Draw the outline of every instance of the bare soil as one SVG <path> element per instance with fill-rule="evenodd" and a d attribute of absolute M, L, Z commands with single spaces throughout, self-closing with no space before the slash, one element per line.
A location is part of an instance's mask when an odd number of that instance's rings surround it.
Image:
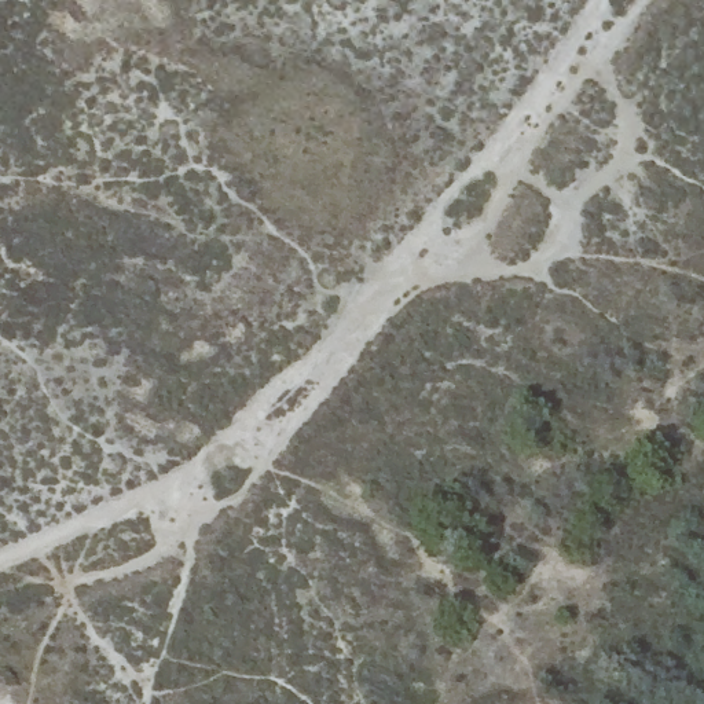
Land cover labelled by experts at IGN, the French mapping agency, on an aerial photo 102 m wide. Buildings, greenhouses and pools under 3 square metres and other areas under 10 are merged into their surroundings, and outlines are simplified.
<path fill-rule="evenodd" d="M 404 311 L 410 300 L 415 300 L 424 289 L 437 283 L 528 275 L 545 283 L 556 261 L 580 259 L 586 201 L 602 187 L 608 187 L 619 173 L 644 173 L 635 143 L 644 132 L 644 118 L 630 99 L 622 96 L 611 58 L 616 50 L 627 44 L 627 36 L 633 33 L 635 22 L 652 0 L 589 0 L 586 8 L 578 14 L 572 30 L 550 52 L 550 63 L 545 66 L 545 72 L 525 91 L 525 96 L 517 102 L 509 118 L 498 127 L 484 151 L 473 157 L 470 168 L 462 171 L 454 179 L 454 184 L 424 212 L 418 228 L 410 231 L 404 242 L 396 245 L 363 283 L 341 283 L 338 314 L 330 319 L 322 341 L 303 360 L 272 377 L 248 402 L 248 407 L 234 415 L 228 429 L 217 432 L 190 462 L 184 462 L 173 473 L 138 490 L 121 492 L 118 498 L 99 503 L 96 509 L 88 509 L 52 528 L 41 528 L 39 534 L 0 550 L 0 572 L 8 572 L 11 567 L 28 558 L 41 558 L 80 534 L 94 534 L 99 528 L 110 528 L 113 523 L 146 514 L 154 528 L 154 547 L 149 553 L 121 567 L 74 572 L 69 578 L 74 586 L 113 580 L 154 567 L 157 561 L 173 556 L 182 561 L 182 575 L 171 597 L 171 613 L 179 613 L 190 589 L 195 539 L 201 525 L 212 523 L 220 509 L 239 506 L 250 498 L 253 487 L 278 459 L 278 454 L 286 451 L 294 432 L 333 393 L 341 377 L 358 363 L 366 341 L 371 341 L 385 327 L 385 322 L 393 314 Z"/>

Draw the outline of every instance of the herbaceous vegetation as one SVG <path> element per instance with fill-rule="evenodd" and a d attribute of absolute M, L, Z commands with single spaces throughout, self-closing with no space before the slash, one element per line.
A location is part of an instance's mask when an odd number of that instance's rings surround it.
<path fill-rule="evenodd" d="M 572 30 L 578 14 L 586 8 L 589 0 L 0 0 L 0 550 L 39 534 L 41 528 L 52 528 L 88 509 L 96 509 L 99 503 L 118 498 L 121 492 L 138 490 L 173 473 L 184 462 L 190 462 L 217 432 L 228 429 L 234 415 L 248 407 L 248 402 L 272 377 L 303 360 L 322 341 L 330 319 L 338 314 L 341 283 L 363 283 L 396 245 L 404 242 L 410 231 L 418 228 L 424 212 L 454 184 L 454 179 L 462 171 L 470 168 L 473 157 L 484 151 L 498 127 L 509 118 L 517 102 L 525 96 L 525 91 L 545 72 L 545 66 L 550 63 L 550 52 Z"/>
<path fill-rule="evenodd" d="M 578 465 L 591 448 L 600 462 L 613 457 L 622 459 L 644 432 L 666 424 L 674 424 L 677 432 L 690 443 L 704 440 L 704 0 L 652 0 L 635 22 L 633 33 L 627 36 L 627 44 L 616 50 L 611 58 L 622 96 L 630 99 L 644 118 L 644 132 L 635 143 L 644 173 L 619 173 L 608 187 L 602 187 L 586 201 L 580 259 L 556 261 L 545 283 L 528 275 L 437 283 L 424 289 L 415 300 L 410 300 L 404 311 L 393 314 L 385 322 L 385 327 L 371 341 L 366 341 L 358 363 L 341 377 L 333 393 L 294 432 L 286 451 L 278 454 L 278 459 L 253 487 L 250 498 L 239 506 L 220 509 L 212 523 L 201 525 L 195 539 L 190 589 L 179 613 L 171 613 L 171 597 L 182 575 L 182 561 L 173 556 L 157 561 L 154 567 L 113 580 L 74 586 L 69 578 L 74 572 L 121 567 L 149 553 L 154 547 L 154 528 L 146 514 L 113 523 L 110 528 L 99 528 L 94 534 L 80 534 L 41 558 L 28 558 L 11 567 L 8 572 L 0 572 L 0 704 L 594 704 L 605 701 L 605 693 L 622 679 L 616 655 L 605 652 L 608 644 L 619 638 L 646 638 L 652 646 L 671 649 L 679 638 L 677 627 L 693 627 L 696 613 L 677 605 L 677 594 L 668 580 L 677 569 L 668 564 L 666 556 L 660 556 L 655 564 L 624 564 L 602 558 L 597 567 L 572 567 L 564 561 L 558 545 L 564 528 L 569 525 L 569 520 L 580 514 L 575 503 L 578 492 L 589 490 L 586 476 Z M 536 435 L 525 429 L 525 413 L 531 407 L 525 402 L 528 385 L 556 391 L 567 424 L 578 429 L 575 454 L 542 459 Z M 484 492 L 479 503 L 492 512 L 501 512 L 506 517 L 503 534 L 512 536 L 517 545 L 534 547 L 542 556 L 542 561 L 534 567 L 525 583 L 520 583 L 517 591 L 506 602 L 501 602 L 495 613 L 484 616 L 481 633 L 473 644 L 462 644 L 451 652 L 451 657 L 443 657 L 440 633 L 435 630 L 437 600 L 418 594 L 418 580 L 440 580 L 448 591 L 457 591 L 454 569 L 432 558 L 424 550 L 424 542 L 415 531 L 399 525 L 415 512 L 421 501 L 435 498 L 435 487 L 448 487 L 468 468 L 490 470 L 495 490 Z"/>

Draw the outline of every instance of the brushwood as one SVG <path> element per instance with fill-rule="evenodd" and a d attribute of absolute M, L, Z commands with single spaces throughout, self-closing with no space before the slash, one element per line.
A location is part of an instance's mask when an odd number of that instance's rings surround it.
<path fill-rule="evenodd" d="M 525 402 L 531 407 L 525 413 L 525 429 L 536 435 L 542 459 L 575 454 L 578 429 L 567 424 L 556 391 L 528 385 Z"/>
<path fill-rule="evenodd" d="M 454 569 L 457 591 L 448 591 L 440 580 L 418 580 L 418 594 L 437 600 L 435 630 L 440 633 L 443 657 L 451 657 L 451 652 L 462 644 L 473 644 L 481 633 L 484 616 L 495 613 L 501 602 L 506 602 L 517 591 L 520 583 L 525 583 L 534 567 L 542 561 L 542 556 L 534 547 L 517 545 L 512 536 L 503 534 L 506 517 L 501 512 L 492 512 L 479 503 L 484 492 L 495 490 L 490 470 L 468 468 L 448 487 L 435 487 L 435 498 L 421 501 L 415 512 L 399 525 L 415 531 L 424 542 L 424 550 L 432 558 Z"/>
<path fill-rule="evenodd" d="M 605 701 L 594 704 L 704 704 L 704 440 L 690 443 L 677 432 L 674 424 L 666 424 L 644 432 L 622 459 L 613 457 L 600 462 L 591 448 L 578 465 L 586 476 L 589 490 L 578 492 L 575 503 L 580 514 L 569 520 L 569 525 L 564 528 L 558 545 L 564 561 L 572 567 L 597 567 L 602 558 L 624 564 L 655 564 L 660 556 L 666 556 L 668 564 L 677 569 L 668 580 L 677 594 L 677 605 L 696 613 L 693 627 L 677 627 L 679 638 L 671 649 L 652 646 L 646 638 L 619 638 L 608 644 L 605 652 L 616 655 L 622 679 L 605 693 Z"/>

